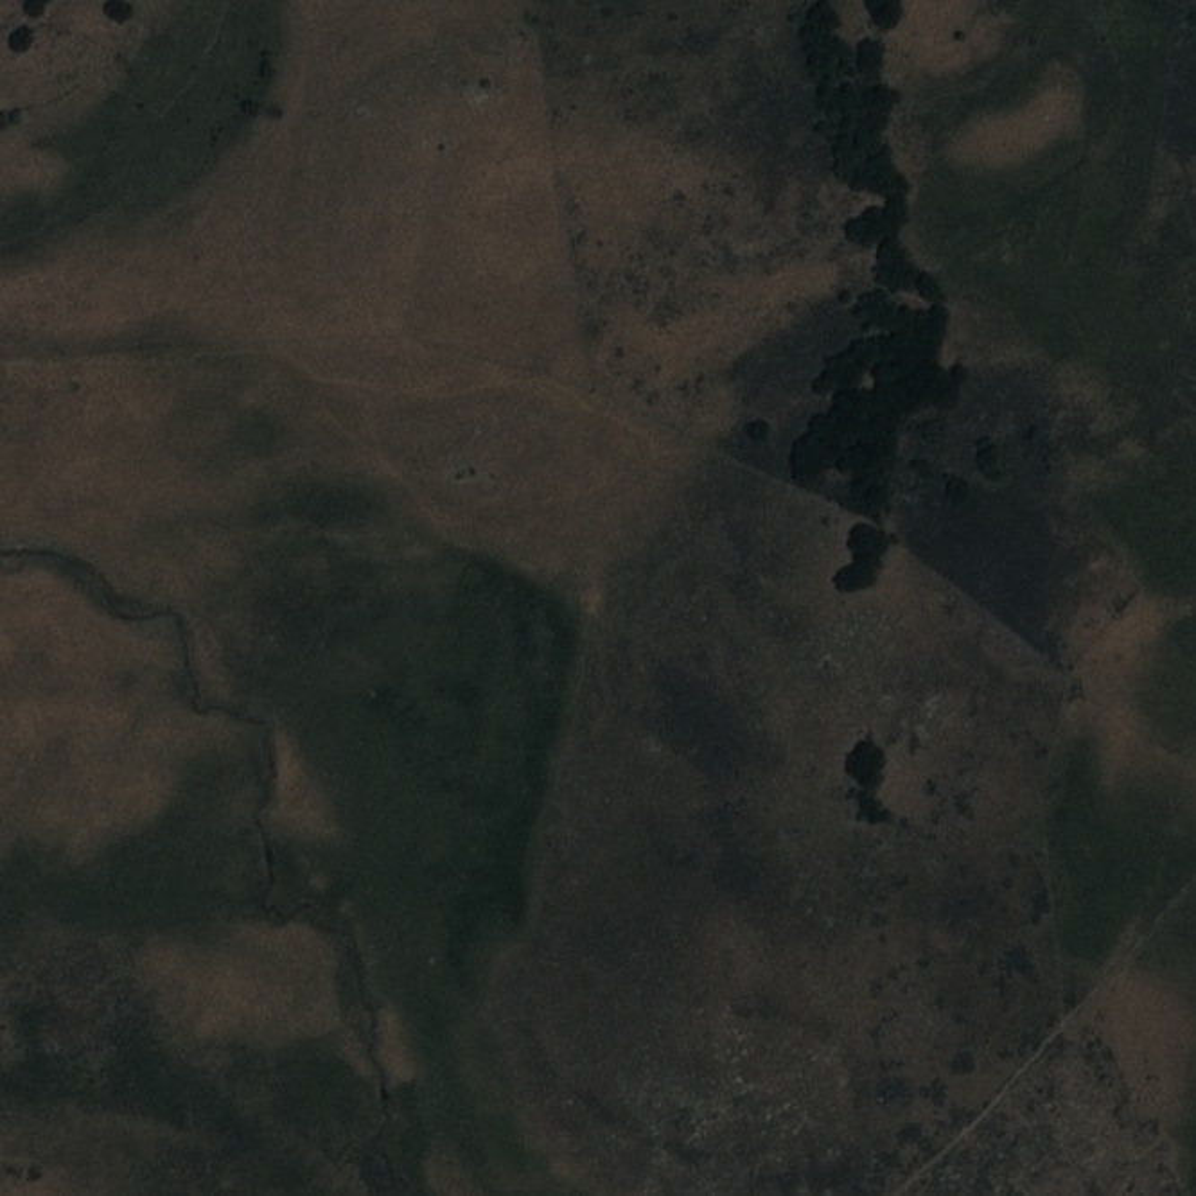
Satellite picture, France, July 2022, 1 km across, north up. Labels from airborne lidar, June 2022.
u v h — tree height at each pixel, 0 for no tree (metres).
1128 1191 0
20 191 0
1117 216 0
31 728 0
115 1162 0
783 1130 0
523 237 0
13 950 0
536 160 0
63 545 0
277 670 0
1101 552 0
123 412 0
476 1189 0
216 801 0
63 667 0
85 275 0
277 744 0
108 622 0
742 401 0
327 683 0
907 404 16
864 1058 0
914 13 0
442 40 0
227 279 0
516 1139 0
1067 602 0
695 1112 0
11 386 0
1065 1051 0
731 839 0
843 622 0
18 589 0
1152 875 0
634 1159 0
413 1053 0
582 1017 0
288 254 0
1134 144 0
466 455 0
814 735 0
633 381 0
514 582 0
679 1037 0
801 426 0
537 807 0
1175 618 0
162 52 0
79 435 0
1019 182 0
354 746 0
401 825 0
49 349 0
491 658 0
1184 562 0
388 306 0
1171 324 0
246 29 0
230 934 0
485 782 0
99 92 0
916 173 0
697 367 0
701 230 0
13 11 0
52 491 0
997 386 0
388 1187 0
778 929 0
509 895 0
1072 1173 0
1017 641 0
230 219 0
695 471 0
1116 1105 0
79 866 0
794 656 0
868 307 12
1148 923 0
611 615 0
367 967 0
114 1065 0
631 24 0
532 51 0
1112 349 0
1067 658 0
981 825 0
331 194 0
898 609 0
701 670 0
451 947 0
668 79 0
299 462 0
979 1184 0
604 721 0
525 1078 0
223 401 0
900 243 9
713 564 0
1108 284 0
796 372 0
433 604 0
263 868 0
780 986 0
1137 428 0
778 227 0
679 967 0
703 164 0
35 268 0
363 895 0
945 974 0
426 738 0
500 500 0
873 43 12
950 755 0
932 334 14
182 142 0
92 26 0
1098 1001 0
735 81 0
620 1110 0
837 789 0
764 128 0
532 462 0
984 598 0
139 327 0
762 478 0
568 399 0
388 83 0
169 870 0
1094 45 0
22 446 0
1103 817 0
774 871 0
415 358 0
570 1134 0
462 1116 0
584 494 0
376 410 0
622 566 0
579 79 0
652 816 0
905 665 0
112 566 0
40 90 0
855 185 12
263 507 0
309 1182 0
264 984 0
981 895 0
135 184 0
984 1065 0
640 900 0
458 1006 0
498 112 0
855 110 12
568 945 0
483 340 0
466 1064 0
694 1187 0
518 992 0
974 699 0
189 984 0
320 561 0
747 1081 0
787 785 0
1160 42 0
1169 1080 0
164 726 0
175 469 0
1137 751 0
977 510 0
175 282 0
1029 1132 0
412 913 0
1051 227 0
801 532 0
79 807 0
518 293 0
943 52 0
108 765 0
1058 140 0
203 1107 0
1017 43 0
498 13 0
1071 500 0
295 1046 0
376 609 0
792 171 0
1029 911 0
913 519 0
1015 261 0
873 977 0
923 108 0
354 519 0
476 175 0
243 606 0
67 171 0
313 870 0
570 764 0
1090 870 0
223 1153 0
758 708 0
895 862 0
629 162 0
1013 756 0
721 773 0
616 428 0
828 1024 0
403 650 0
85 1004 0
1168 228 0
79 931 0
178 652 0
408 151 0
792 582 0
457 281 0
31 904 0
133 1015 0
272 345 0
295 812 0
